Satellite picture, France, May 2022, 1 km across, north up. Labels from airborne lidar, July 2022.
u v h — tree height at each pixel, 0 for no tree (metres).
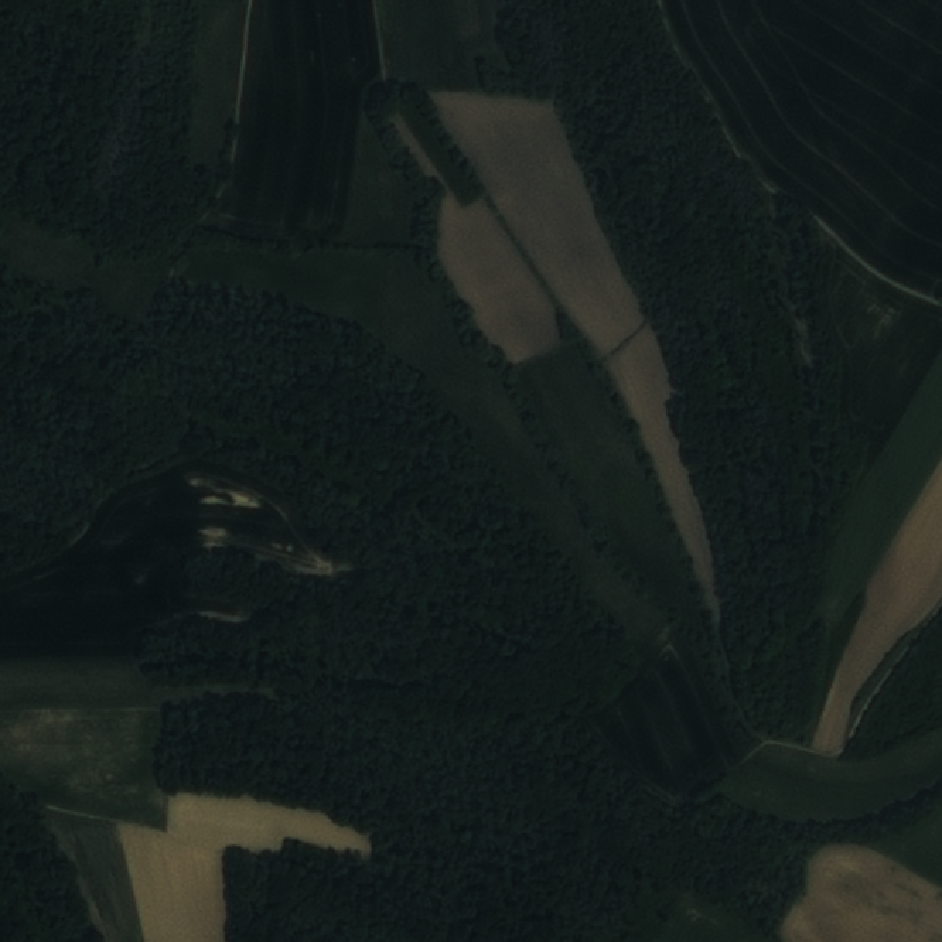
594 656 34
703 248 26
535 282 0
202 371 8
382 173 0
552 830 27
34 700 0
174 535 0
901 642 6
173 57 15
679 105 26
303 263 0
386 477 30
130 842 0
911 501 0
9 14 17
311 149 0
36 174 27
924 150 0
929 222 0
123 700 0
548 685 34
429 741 34
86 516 19
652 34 18
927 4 0
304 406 28
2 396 34
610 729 0
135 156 17
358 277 0
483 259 0
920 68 0
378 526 30
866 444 8
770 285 11
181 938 0
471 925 29
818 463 20
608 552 23
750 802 0
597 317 0
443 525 29
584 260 0
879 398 0
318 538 23
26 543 30
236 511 0
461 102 0
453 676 22
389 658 28
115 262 17
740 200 26
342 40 0
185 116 17
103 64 18
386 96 30
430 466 21
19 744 0
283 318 20
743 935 0
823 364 16
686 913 0
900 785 0
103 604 0
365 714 34
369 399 30
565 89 15
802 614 17
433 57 0
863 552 0
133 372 29
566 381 0
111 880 0
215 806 0
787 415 8
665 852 30
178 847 0
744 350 25
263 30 0
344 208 0
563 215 0
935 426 0
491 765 21
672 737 0
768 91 0
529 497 0
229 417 30
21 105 8
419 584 32
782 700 8
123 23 6
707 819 19
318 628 23
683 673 0
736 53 0
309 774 29
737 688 19
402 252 11
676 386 20
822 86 0
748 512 29
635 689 0
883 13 0
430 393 18
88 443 24
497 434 0
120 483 24
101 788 0
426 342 0
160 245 22
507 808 25
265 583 24
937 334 0
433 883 18
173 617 0
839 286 0
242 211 0
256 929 28
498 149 0
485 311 0
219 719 32
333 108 0
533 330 0
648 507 0
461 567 32
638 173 29
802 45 0
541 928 33
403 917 24
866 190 0
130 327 9
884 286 0
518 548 20
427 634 24
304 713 33
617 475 0
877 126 0
